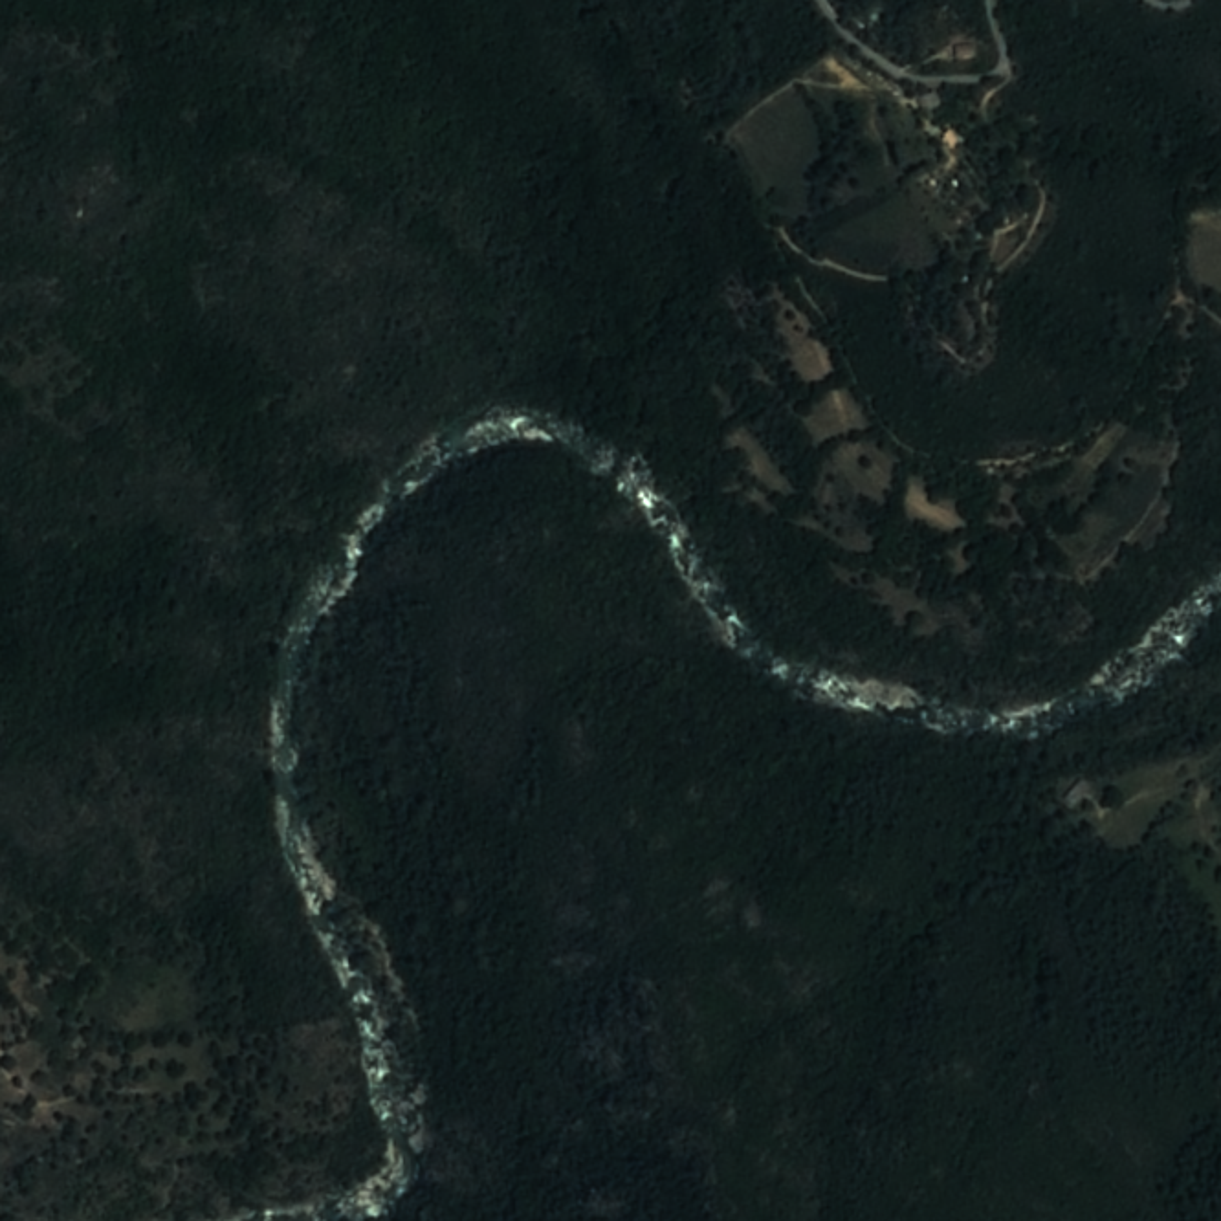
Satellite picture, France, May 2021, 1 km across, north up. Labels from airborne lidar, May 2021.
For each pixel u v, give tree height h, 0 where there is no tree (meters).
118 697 16
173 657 9
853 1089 16
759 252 11
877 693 0
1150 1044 10
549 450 12
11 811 0
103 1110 13
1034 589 20
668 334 22
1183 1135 7
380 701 7
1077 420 7
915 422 6
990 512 10
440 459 0
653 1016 11
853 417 0
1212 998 10
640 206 13
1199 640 11
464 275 16
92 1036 19
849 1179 6
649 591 6
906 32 16
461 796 8
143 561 14
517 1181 10
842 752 12
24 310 6
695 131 11
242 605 8
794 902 8
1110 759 8
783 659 7
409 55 13
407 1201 14
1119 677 13
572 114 14
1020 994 8
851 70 0
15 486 9
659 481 9
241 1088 10
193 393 15
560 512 9
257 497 17
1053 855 14
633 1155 10
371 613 7
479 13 14
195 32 11
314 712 23
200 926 11
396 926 9
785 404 9
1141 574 7
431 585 7
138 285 16
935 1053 6
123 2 13
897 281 17
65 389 7
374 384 8
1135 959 7
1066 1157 6
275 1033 16
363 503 9
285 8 11
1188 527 10
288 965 6
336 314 7
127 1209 7
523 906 9
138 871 8
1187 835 0
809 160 0
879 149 0
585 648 7
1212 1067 7
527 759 8
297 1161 9
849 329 10
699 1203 12
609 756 6
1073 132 14
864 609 10
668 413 12
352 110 8
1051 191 8
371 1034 0
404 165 10
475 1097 9
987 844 18
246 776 7
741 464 9
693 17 15
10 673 12
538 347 10
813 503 14
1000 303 8
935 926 12
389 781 23
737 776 12
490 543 7
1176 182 12
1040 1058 8
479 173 12
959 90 9
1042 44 11
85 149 6
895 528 10
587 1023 6
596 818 6
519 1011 9
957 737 10
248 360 11
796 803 10
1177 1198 15
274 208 8
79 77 6
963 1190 6
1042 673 11
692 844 6
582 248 17
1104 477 7
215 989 7
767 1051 10
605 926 5
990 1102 6
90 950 12
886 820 12
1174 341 11
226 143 14
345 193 9
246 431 11
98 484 9
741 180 10
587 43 18
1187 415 8
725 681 19
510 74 14
